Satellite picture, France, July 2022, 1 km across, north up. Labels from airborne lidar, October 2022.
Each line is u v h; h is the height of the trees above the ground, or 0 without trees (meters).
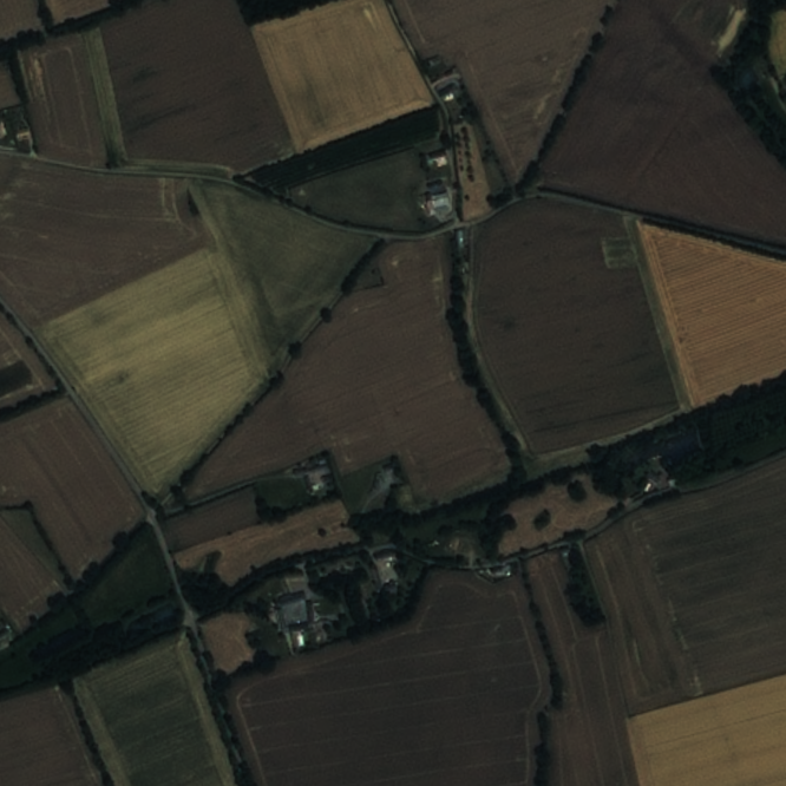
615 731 0
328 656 0
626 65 0
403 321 0
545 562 0
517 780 0
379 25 0
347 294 11
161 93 0
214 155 0
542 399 0
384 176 0
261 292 0
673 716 0
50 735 0
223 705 15
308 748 0
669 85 0
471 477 0
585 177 0
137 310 0
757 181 0
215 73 0
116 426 0
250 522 0
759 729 0
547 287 0
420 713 0
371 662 0
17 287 0
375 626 14
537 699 0
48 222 0
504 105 0
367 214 0
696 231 8
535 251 0
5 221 0
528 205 0
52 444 0
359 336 0
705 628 0
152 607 7
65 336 0
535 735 0
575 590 19
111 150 0
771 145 16
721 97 0
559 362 0
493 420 8
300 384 0
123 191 0
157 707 0
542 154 10
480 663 0
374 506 0
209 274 0
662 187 0
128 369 0
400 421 0
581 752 0
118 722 0
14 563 0
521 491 11
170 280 0
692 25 0
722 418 28
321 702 0
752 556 0
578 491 10
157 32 0
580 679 0
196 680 0
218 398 0
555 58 0
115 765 0
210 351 0
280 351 0
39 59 0
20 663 0
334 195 0
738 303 0
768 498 0
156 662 0
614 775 0
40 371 0
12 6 0
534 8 0
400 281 0
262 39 0
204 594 20
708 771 0
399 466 7
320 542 0
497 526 18
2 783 0
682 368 0
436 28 0
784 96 14
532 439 0
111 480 0
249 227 0
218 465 0
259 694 0
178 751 0
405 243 0
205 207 0
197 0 0
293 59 0
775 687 0
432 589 0
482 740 0
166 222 0
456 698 0
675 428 13
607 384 0
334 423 0
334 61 0
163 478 0
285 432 0
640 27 0
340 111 0
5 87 0
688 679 0
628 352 0
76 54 0
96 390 0
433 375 0
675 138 0
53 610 14
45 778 0
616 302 0
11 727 0
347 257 0
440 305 0
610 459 17
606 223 0
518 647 0
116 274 0
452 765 0
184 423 0
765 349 0
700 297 0
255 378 0
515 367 0
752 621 0
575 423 0
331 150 7
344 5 0
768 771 0
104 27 0
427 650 0
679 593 0
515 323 0
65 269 0
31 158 0
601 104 0
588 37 0
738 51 6
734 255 0
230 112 0
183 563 0
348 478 0
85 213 0
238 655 0
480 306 0
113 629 16
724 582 0
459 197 9
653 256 0
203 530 0
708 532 0
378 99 0
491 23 0
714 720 0
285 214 0
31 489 0
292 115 0
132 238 0
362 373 0
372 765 0
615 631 0
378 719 0
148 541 0
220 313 0
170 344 0
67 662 20
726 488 0
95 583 11
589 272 0
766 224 0
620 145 0
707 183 0
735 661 0
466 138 6
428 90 0
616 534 0
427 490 0
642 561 0
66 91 0
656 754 0
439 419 0
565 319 0
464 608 0
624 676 0
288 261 0
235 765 13
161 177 0
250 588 14
